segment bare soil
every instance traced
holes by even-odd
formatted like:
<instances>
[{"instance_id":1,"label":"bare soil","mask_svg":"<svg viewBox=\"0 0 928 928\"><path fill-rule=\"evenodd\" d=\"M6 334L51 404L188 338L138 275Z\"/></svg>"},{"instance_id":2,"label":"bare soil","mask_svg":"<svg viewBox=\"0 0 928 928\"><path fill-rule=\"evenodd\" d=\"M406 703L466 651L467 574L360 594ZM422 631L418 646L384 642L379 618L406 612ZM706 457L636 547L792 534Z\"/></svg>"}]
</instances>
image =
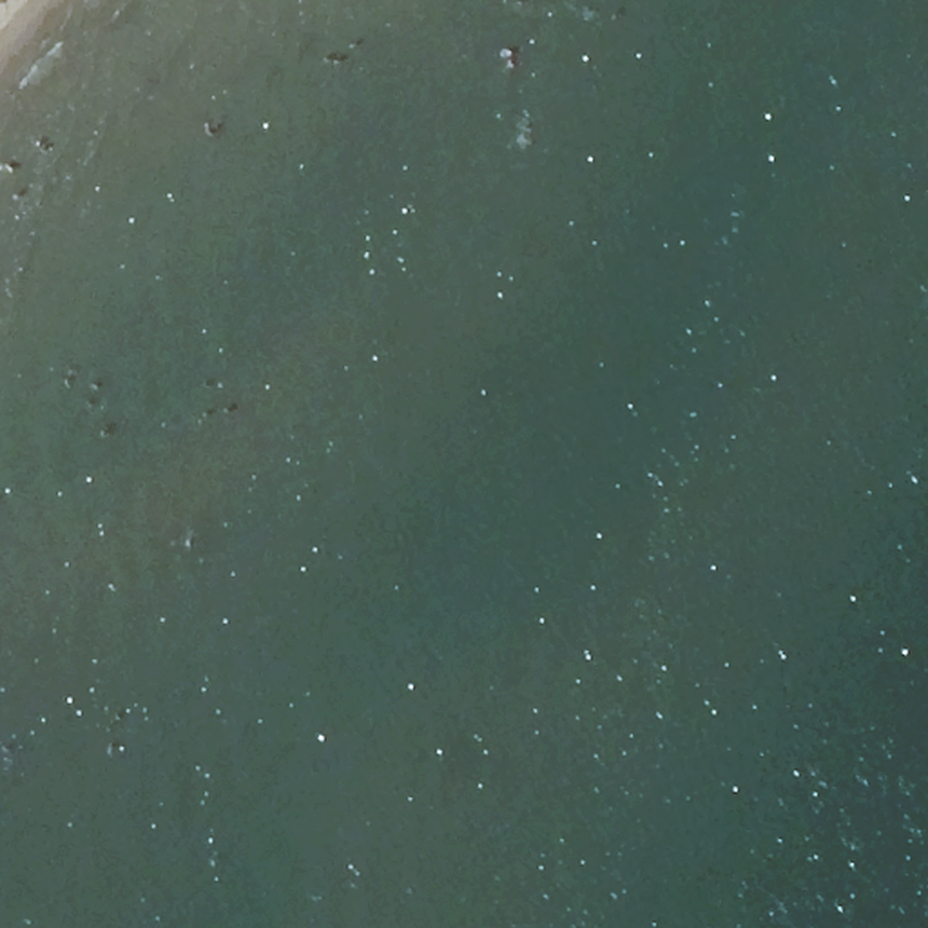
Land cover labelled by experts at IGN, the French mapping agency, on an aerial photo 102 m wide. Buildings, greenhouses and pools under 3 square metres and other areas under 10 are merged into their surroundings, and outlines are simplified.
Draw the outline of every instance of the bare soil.
<instances>
[{"instance_id":1,"label":"bare soil","mask_svg":"<svg viewBox=\"0 0 928 928\"><path fill-rule=\"evenodd\" d=\"M36 29L40 15L54 0L0 0L0 65Z\"/></svg>"}]
</instances>

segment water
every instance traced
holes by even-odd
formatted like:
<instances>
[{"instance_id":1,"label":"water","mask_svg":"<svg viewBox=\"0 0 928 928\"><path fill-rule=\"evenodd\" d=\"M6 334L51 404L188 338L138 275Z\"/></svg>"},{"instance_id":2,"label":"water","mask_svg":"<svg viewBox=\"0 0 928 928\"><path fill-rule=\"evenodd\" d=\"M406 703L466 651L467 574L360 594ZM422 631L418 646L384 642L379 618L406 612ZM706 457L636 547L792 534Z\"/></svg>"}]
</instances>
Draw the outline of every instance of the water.
<instances>
[{"instance_id":1,"label":"water","mask_svg":"<svg viewBox=\"0 0 928 928\"><path fill-rule=\"evenodd\" d=\"M40 15L36 29L0 65L0 928L928 928L928 0L54 0Z\"/></svg>"}]
</instances>

